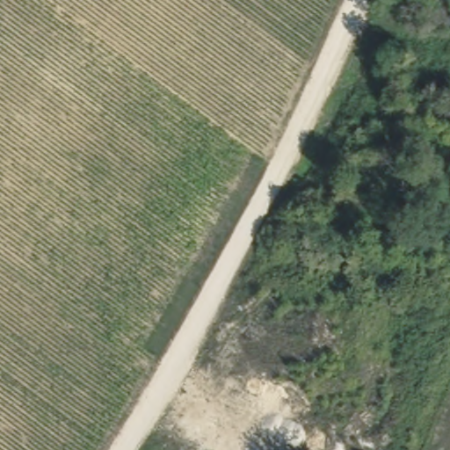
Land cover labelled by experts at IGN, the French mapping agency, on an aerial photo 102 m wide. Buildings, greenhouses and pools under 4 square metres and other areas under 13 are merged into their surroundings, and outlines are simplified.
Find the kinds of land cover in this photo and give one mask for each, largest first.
<instances>
[{"label":"vineyard","instance_id":"1","mask_svg":"<svg viewBox=\"0 0 450 450\"><path fill-rule=\"evenodd\" d=\"M345 0H0V450H109L112 441L120 434L121 427L134 411L135 404L139 403L144 388L148 387L163 353L167 352L172 339L178 334L181 323L185 322L200 288L213 271L225 244L229 243L244 209L250 204L260 179L264 178L265 169L276 153L304 88L311 79L316 60L329 35L330 26L336 19L337 9Z\"/></svg>","mask_w":450,"mask_h":450},{"label":"brushwood","instance_id":"2","mask_svg":"<svg viewBox=\"0 0 450 450\"><path fill-rule=\"evenodd\" d=\"M366 19L392 33L387 44L401 53H418L424 56L427 65L420 67L417 77L411 81L413 93L424 90L429 84H436V90L431 97L420 100L417 107L413 105L406 111L404 127L408 130L404 132L403 149L397 153L394 176L410 183L415 174L413 171L420 165L415 156L418 151V139L422 137L424 141H431L434 153L443 158V174L438 178L436 197L448 206L445 223L450 229V0H367ZM279 229L271 225L262 227L257 221L251 232L250 250L246 251L241 267L218 308V313L207 327L206 337L195 357V364L200 369H211L216 388L223 387L227 378H234L236 374H250L253 371L257 374H267L269 380L278 383L292 381L297 387H301L311 403V411L295 415L294 422L301 424L306 432L320 429L325 436L322 450H418L420 443H431L436 431L434 427L438 422L432 417V411L441 413L445 410L450 396V230L443 236V243L415 244V250L404 251L403 262L396 267L394 264L381 262L378 258L367 255L357 244H353L352 258L336 257L329 260L327 253L322 251L315 255L308 253L304 262H294L292 243L278 241Z\"/></svg>","mask_w":450,"mask_h":450},{"label":"pervious surface","instance_id":"3","mask_svg":"<svg viewBox=\"0 0 450 450\"><path fill-rule=\"evenodd\" d=\"M367 0H345L337 9L336 19L330 26L329 35L316 60L311 79L304 88L276 153L265 169L264 178L260 179L250 204L244 209L229 243L225 244L213 271L200 288L185 322L181 323L178 334L172 339L167 352L163 353L148 387L144 388L139 403L135 404L134 411L121 427L120 434L112 441L109 450H139L142 441L153 431V427L158 431H167L169 438L195 441L200 450H322L325 436L320 429L306 432L301 424L294 422L295 415L311 411V403L301 387H297L292 381L278 383L269 380L267 374H257L253 371L250 374H236L234 378H227L223 387L216 388L211 369H200L195 364V357L206 337L207 327L218 313V308L241 267L246 251L250 250L251 232L257 221L269 209V193L272 186L285 185L290 178L292 167L299 162L301 135L315 128L323 102L329 97L337 77L341 74L346 56L352 51L353 40L364 32L366 19Z\"/></svg>","mask_w":450,"mask_h":450},{"label":"deciduous trees","instance_id":"4","mask_svg":"<svg viewBox=\"0 0 450 450\"><path fill-rule=\"evenodd\" d=\"M427 65L424 56L418 53H401L387 44L381 47L378 53V63L374 65L373 74L376 77L387 76L388 84L381 90V97L374 98V107L385 112L406 111L413 105L417 107L420 100L431 97L436 90V84H429L424 90L413 93L411 81L417 77L420 67ZM418 151L415 156L420 165L413 171L415 174L410 183L394 176L387 174V167L380 163L373 167H360L348 160L337 167L334 186L346 195L355 188L359 202H339L336 207L330 204H306L297 209H285V220H281L279 229L278 241L292 243L294 262H304L308 253L315 255L322 251L327 253L329 260L336 257L352 258L353 244H357L367 255L378 258L381 262L394 264L396 267L403 262L404 251L415 250V244L443 243V236L450 230V229L445 223L448 206L436 197L438 178L443 174V158L434 153L431 141H424L422 137L418 139Z\"/></svg>","mask_w":450,"mask_h":450},{"label":"herbaceous vegetation","instance_id":"5","mask_svg":"<svg viewBox=\"0 0 450 450\"><path fill-rule=\"evenodd\" d=\"M392 33L366 19L364 32L353 40L352 51L346 56L341 74L337 77L329 97L323 102L315 128L301 135L299 162L292 167L290 178L285 185L272 186L269 193V209L257 221L262 227L271 225L279 229L281 220H285V209H297L306 204H330L336 207L339 202H359L355 188L346 195L334 186L337 167L348 160L360 167H373L380 163L387 167V174L394 176L397 153L403 149L404 132L408 130L404 127L406 111L385 112L374 107V98L381 97V90L388 84L387 76L376 77L373 74L374 65L378 63V53L381 47L387 44ZM432 417L438 422L434 427L436 431L431 443H420L418 450H450V396L445 410L441 413L432 411ZM139 450H200L195 441L169 438L167 431H158L153 427V431L142 441Z\"/></svg>","mask_w":450,"mask_h":450}]
</instances>
